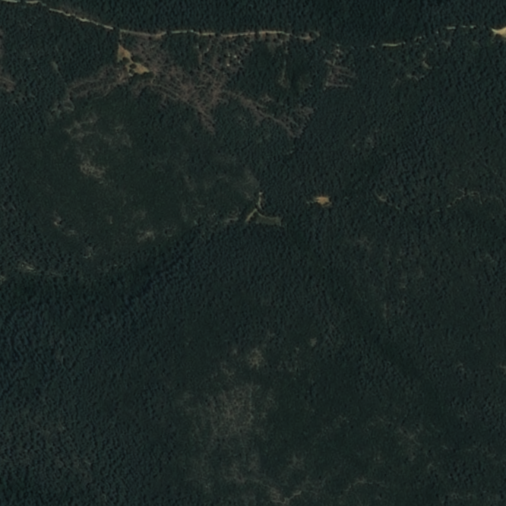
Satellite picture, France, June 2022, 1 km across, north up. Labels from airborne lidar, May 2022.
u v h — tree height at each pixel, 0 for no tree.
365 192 9
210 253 15
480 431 7
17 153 8
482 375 7
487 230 11
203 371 6
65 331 10
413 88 8
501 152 7
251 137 11
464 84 17
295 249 21
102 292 15
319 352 15
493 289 11
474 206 8
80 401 14
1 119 13
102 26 13
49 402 12
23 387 13
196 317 6
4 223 14
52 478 15
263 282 16
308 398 13
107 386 14
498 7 23
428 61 10
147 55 5
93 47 17
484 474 12
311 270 14
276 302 13
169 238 7
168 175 6
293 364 8
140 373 6
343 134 15
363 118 7
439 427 6
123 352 14
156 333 6
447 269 7
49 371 7
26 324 9
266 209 16
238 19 11
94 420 16
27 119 12
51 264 17
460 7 16
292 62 8
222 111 10
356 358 8
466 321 6
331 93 13
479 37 16
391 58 6
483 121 11
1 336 7
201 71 17
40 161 6
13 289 19
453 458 8
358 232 11
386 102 16
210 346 9
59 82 15
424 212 17
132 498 15
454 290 5
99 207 6
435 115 14
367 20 12
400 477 5
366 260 11
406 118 17
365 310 6
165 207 6
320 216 13
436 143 17
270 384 5
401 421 6
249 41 16
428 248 5
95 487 16
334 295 8
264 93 6
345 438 5
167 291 21
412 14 10
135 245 8
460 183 6
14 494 14
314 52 15
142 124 6
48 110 10
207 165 14
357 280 12
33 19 13
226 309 6
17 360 12
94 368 14
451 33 16
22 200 9
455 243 6
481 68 16
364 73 14
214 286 15
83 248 7
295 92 8
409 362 9
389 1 18
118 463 22
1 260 16
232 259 16
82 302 21
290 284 8
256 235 14
